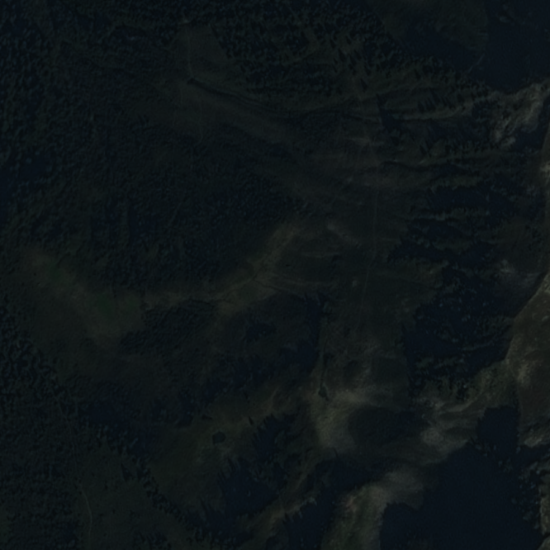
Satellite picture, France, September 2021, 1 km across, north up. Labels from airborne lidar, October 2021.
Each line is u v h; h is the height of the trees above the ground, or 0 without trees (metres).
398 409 0
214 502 0
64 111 8
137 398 0
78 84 7
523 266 0
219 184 0
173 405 0
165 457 0
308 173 0
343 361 0
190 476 0
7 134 10
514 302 0
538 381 0
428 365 0
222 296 0
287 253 0
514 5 0
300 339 0
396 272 0
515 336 0
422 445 0
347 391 0
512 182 0
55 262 0
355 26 25
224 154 0
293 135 0
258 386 0
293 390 0
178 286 0
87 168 6
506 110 0
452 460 0
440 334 6
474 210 10
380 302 0
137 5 22
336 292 0
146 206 6
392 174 0
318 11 22
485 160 0
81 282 0
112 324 0
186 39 0
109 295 0
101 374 0
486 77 0
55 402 6
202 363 0
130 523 0
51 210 8
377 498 0
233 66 0
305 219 0
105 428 10
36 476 10
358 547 0
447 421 0
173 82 0
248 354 0
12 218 9
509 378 0
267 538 0
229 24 9
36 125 12
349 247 0
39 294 0
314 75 18
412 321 0
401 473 0
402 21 0
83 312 0
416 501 0
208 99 0
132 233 6
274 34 8
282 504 0
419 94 0
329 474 0
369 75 16
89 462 0
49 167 13
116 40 12
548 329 0
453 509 0
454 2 0
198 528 10
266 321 0
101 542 0
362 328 0
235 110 0
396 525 0
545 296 0
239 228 0
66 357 0
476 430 0
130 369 0
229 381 0
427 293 0
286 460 0
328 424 0
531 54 0
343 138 0
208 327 0
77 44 11
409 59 13
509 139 0
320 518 0
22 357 20
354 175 0
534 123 0
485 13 0
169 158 0
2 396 17
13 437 6
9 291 8
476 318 10
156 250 0
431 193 0
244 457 0
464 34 0
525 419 0
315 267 0
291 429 0
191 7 23
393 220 0
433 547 0
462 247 0
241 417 0
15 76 31
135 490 0
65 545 7
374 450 0
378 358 0
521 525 0
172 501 0
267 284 0
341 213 0
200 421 0
